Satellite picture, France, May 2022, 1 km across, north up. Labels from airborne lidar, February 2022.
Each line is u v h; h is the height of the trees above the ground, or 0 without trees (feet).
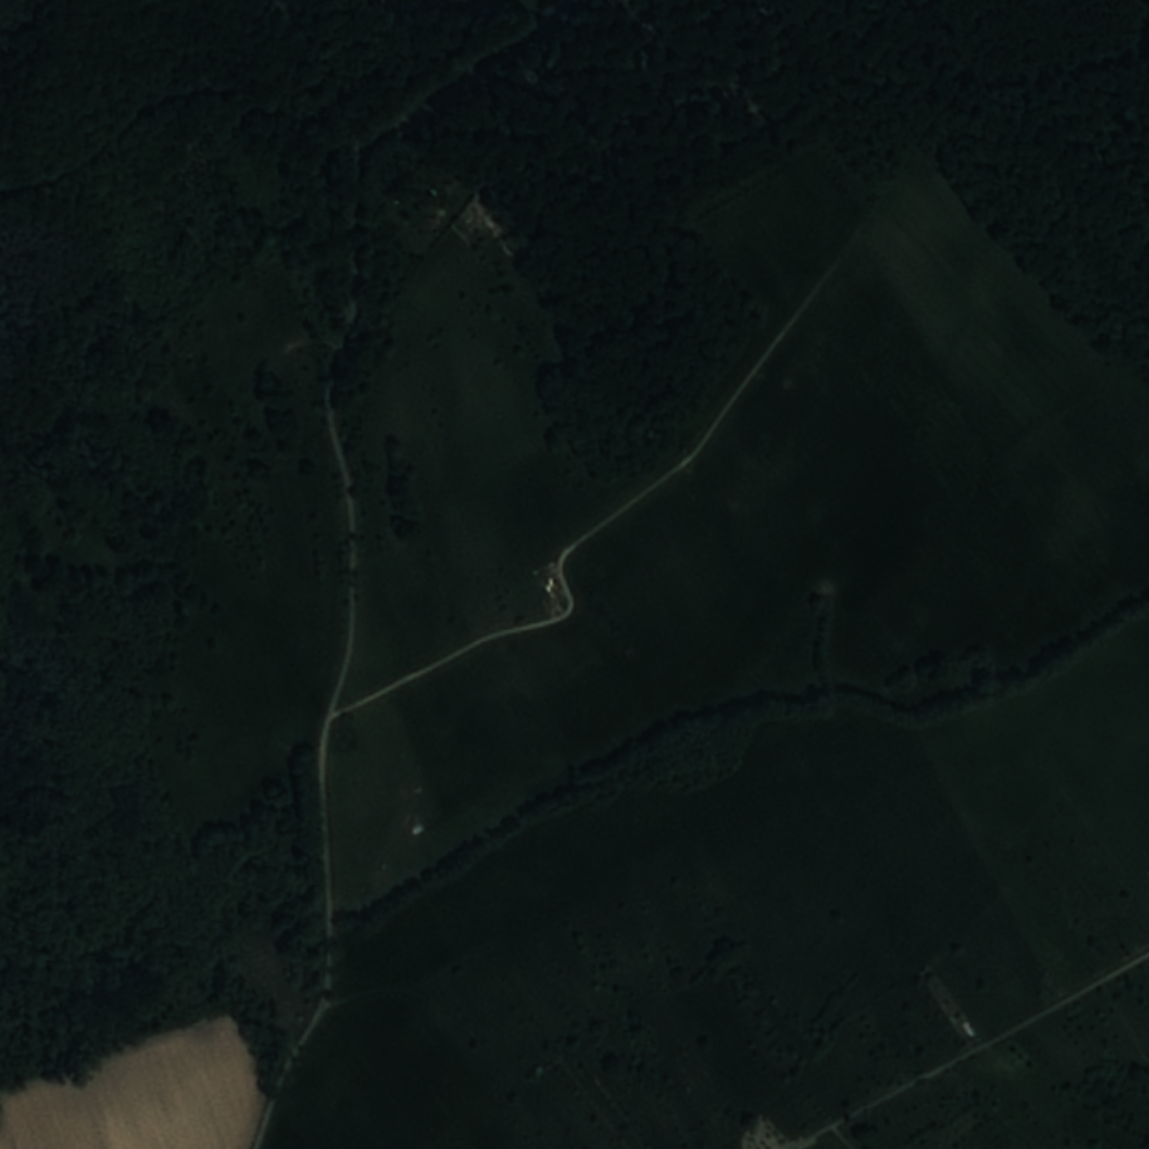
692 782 57
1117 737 0
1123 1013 0
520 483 0
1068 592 0
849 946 0
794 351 0
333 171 81
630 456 87
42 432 0
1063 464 0
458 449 0
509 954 0
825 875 0
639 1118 0
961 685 0
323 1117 0
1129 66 110
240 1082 0
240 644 0
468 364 0
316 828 58
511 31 87
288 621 0
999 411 0
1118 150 118
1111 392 0
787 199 0
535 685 0
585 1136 0
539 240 100
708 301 97
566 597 0
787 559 0
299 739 0
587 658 0
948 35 100
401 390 0
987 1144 0
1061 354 0
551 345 0
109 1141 0
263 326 0
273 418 49
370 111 108
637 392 93
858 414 0
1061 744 0
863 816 0
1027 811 0
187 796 0
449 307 0
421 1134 0
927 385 0
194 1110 0
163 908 79
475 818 0
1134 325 96
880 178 73
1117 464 0
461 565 0
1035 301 0
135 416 60
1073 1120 0
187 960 87
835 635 0
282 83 96
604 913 0
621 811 0
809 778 0
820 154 0
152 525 53
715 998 0
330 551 0
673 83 113
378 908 44
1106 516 0
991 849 0
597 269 107
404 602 0
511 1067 0
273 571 0
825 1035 23
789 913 0
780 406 0
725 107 118
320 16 99
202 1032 0
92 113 87
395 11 75
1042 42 49
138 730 61
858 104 94
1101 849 0
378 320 42
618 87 120
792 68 115
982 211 79
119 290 75
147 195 79
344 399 57
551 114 114
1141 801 0
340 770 0
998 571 0
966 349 0
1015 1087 0
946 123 87
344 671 0
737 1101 0
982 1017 0
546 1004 0
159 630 50
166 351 27
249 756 0
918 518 0
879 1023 0
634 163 121
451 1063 0
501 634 0
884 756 0
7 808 37
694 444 0
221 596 0
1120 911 0
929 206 0
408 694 0
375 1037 0
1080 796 0
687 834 0
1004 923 0
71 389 74
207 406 0
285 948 60
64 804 85
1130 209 96
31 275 94
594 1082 0
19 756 44
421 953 0
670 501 0
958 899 0
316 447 0
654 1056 26
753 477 0
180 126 101
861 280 0
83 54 109
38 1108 0
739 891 0
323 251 67
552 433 40
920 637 0
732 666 0
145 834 79
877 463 0
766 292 0
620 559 0
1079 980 0
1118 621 48
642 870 0
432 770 0
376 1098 0
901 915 0
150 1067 0
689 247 103
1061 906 0
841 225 0
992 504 0
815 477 0
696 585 0
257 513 21
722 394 0
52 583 80
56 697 53
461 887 0
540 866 0
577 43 124
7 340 81
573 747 0
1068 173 105
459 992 0
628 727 0
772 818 0
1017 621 0
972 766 0
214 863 78
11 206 78
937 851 0
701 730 70
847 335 0
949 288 0
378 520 0
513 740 0
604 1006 0
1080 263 93
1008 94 95
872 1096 0
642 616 0
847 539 0
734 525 0
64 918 82
